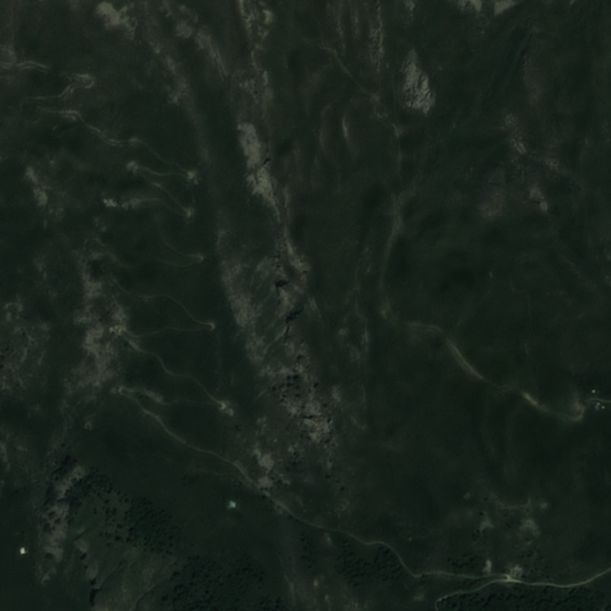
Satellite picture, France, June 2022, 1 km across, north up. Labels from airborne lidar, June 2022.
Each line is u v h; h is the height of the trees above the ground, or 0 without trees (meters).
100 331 0
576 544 0
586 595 10
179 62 0
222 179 0
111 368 0
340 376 0
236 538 0
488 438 0
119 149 0
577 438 0
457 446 0
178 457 0
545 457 0
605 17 0
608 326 0
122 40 0
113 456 0
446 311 0
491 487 0
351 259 0
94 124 0
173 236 0
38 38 0
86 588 0
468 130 0
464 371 0
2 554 0
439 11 0
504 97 0
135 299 0
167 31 0
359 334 0
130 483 0
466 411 0
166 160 0
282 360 0
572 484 0
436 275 0
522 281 0
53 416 0
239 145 0
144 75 0
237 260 0
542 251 0
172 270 0
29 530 0
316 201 0
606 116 0
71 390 0
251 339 0
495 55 0
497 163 0
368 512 0
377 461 0
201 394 0
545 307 0
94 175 0
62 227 0
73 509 10
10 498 0
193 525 0
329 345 0
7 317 0
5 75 0
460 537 0
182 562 0
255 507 0
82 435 0
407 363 0
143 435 0
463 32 0
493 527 0
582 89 0
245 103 0
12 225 0
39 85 0
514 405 0
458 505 0
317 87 0
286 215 0
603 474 0
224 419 0
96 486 10
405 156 0
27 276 0
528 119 0
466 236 0
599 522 0
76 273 0
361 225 0
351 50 0
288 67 0
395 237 0
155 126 0
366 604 0
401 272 0
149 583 0
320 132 0
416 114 0
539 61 0
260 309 0
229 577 10
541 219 0
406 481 0
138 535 10
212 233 0
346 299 0
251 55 0
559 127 0
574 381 0
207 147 0
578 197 0
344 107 0
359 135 0
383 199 0
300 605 0
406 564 0
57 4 0
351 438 0
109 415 0
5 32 0
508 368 0
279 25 0
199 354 0
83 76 0
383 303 0
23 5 0
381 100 0
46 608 0
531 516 0
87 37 0
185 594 10
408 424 0
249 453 0
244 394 0
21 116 0
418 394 0
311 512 0
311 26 0
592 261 0
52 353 0
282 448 0
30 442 0
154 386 0
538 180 0
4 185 0
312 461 0
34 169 0
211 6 0
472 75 0
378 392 0
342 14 0
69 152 0
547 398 0
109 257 0
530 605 10
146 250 0
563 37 0
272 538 0
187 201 0
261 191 0
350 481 0
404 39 0
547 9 0
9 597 0
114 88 0
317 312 0
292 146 0
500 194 0
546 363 0
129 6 0
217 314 0
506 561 0
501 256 0
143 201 0
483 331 0
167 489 0
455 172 0
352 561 9
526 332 0
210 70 0
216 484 0
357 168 0
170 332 0
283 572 0
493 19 0
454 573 9
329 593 0
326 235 0
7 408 0
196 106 0
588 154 0
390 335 0
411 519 0
